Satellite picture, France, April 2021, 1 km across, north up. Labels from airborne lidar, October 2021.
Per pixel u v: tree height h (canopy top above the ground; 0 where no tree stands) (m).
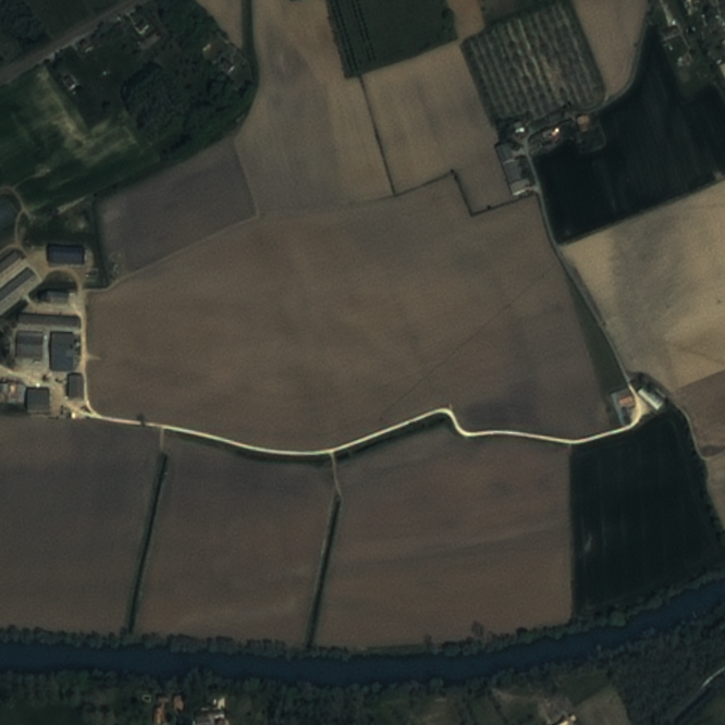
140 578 0
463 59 0
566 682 0
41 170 0
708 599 0
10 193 0
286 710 28
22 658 0
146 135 23
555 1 7
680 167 0
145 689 17
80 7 0
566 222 0
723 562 0
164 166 10
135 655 0
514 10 0
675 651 18
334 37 6
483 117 0
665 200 0
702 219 0
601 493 0
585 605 0
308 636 0
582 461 0
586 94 10
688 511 0
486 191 0
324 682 0
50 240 0
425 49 8
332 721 23
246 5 0
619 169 0
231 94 23
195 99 8
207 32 17
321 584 0
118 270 0
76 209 0
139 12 13
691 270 0
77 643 11
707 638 9
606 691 0
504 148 0
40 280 0
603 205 0
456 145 0
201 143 17
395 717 9
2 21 7
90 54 0
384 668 0
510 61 10
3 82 0
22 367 0
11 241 0
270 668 0
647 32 0
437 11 0
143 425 17
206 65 15
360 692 15
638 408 0
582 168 0
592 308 0
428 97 0
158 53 9
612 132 0
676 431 0
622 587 0
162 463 0
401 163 0
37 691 26
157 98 25
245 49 0
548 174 0
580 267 0
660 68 0
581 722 0
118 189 10
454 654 14
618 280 0
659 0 13
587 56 11
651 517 0
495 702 12
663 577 0
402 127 0
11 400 0
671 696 12
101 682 22
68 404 0
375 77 0
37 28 11
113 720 21
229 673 0
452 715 0
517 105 9
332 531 0
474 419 0
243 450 0
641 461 0
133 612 0
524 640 16
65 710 0
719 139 0
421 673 0
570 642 0
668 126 0
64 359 0
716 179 0
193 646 17
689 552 0
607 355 0
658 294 0
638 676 16
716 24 17
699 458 9
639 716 18
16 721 0
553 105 8
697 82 0
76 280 0
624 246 0
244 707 0
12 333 13
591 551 0
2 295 0
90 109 0
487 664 0
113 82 0
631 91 0
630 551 0
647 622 0
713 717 0
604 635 0
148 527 0
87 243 0
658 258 0
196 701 25
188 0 16
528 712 0
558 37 10
